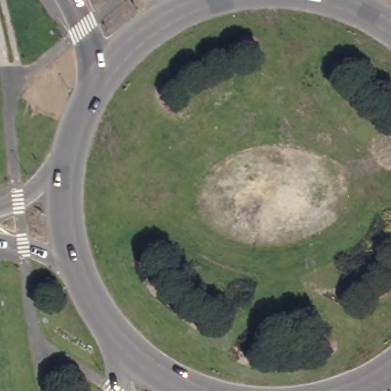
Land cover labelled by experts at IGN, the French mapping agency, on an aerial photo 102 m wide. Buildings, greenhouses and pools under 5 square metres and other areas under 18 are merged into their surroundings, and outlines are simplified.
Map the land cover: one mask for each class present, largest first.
<instances>
[{"label":"herbaceous vegetation","instance_id":"1","mask_svg":"<svg viewBox=\"0 0 391 391\"><path fill-rule=\"evenodd\" d=\"M21 63L24 64L34 63L53 44L60 41L57 35L49 34L57 21L47 14L40 0H6ZM252 38L257 41L261 52L264 53L261 70L250 75L235 73L232 78L192 96L186 107L180 111L171 110L162 101L159 90L176 79L189 64L199 63L202 58L208 57L212 49H231L240 41H250ZM367 55L374 67L388 72L391 76V50L359 29L347 26L341 21L287 9L241 11L195 24L153 50L116 90L96 130L95 141L87 160L84 186L87 235L96 266L101 272L108 292L115 298L124 315L133 322L134 327L141 330L145 338L150 339L156 347L174 357L177 364L189 365L195 370L220 379L250 385H296L351 370L391 345V290L379 296L377 309L373 315L364 319H354L347 315L338 299L344 296L351 284L359 283L362 276L370 270L371 264L376 263V255L371 254L373 235L383 231L391 232V171L380 168L376 173L350 177L347 180V192L350 194L348 211L319 234L310 235L289 246H258L255 243H241L228 235L218 234L202 220V214L197 206V195L205 186L206 177L212 176L214 166L225 162L226 157L231 154L260 145L283 144L330 157L344 165L347 160L370 156L371 139L379 133L370 121L360 118L356 108L351 107L350 102L345 101L333 89L327 76L339 64L360 61ZM157 238L166 243H179L180 249L185 252L186 260L191 263L195 272L199 273L203 283L212 284L218 290L226 289L235 278L254 280L257 283L254 295L260 301H257L250 312L244 307L238 310L231 330L225 336H203L194 322L179 318L168 305L162 304L157 298L153 284H150V281L139 280L134 270V261L141 260L142 254L150 244L156 243ZM353 247L359 252H367L368 255L359 269L341 276L334 264V255L338 252H347ZM312 302L322 321L331 327V354L327 364L319 370L286 373H261L250 367L246 356L260 338L261 322L269 316L283 313L289 315L299 310V305H310ZM9 170L0 92V188L8 185ZM58 122L50 116L35 115L32 113L31 105L24 99H18L15 110V134L21 180L26 182L40 168L46 157ZM38 370L32 360L24 316L20 269L18 264L12 261L0 260V391H40L37 382ZM38 327L46 341L57 350L64 351L73 360L78 362L102 374L104 360L89 328L82 322L75 305L69 299L61 312L47 315L38 310Z\"/></svg>","mask_w":391,"mask_h":391},{"label":"impervious surface","instance_id":"2","mask_svg":"<svg viewBox=\"0 0 391 391\"><path fill-rule=\"evenodd\" d=\"M47 14L57 21L49 34L57 35L60 41L53 44L34 63L24 64L21 63L6 0H0V92L9 170L8 185L0 188V260L12 261L18 264L20 269L24 316L32 360L38 370L37 382L40 391H41L46 386L47 374L60 370L73 360L64 351L57 350L46 341L38 327V310L31 298L38 287H52L60 281L69 299L75 305L82 322L89 328L104 360L102 374L78 362L79 370L90 382V391H391V345L351 370L296 385H250L220 379L195 370L189 365L177 364L174 357L156 347L150 339L145 338L141 330L134 327L133 322L124 315L115 298L108 292L101 272L96 266L87 235L84 186L87 160L95 141L96 130L116 90L153 50L195 24L241 11L287 9L341 21L347 26L359 29L391 50V0H40ZM18 99H24L31 105L32 113L35 115L50 116L58 122L46 157L40 168L26 182L21 180L15 134V110Z\"/></svg>","mask_w":391,"mask_h":391},{"label":"deciduous trees","instance_id":"3","mask_svg":"<svg viewBox=\"0 0 391 391\"><path fill-rule=\"evenodd\" d=\"M264 53L261 52L257 41L252 38L250 41H240L231 49H212L208 57L202 58L199 63L189 64L176 79L159 90L162 101L171 110L180 111L186 107L192 96L232 78L235 73L250 75L261 70ZM333 89L345 101L350 102L351 107L356 108L360 118L370 121L379 133L391 136V76L388 72L374 67L367 55L360 61L339 64L327 76ZM371 254L376 255V263L371 264L370 270L362 276L359 283L351 284L344 296L338 299L347 315L354 319H364L373 315L377 309L379 296L391 290V232L383 231L373 235ZM134 270L139 280L150 281V284H153L157 298L162 304L168 305L179 318L194 322L203 336H225L231 330L238 310L244 307L250 312L257 301H260L254 295L257 283L254 280L235 278L226 289L218 290L212 284L203 283L199 273L195 272L191 263L186 260L185 252L180 249L179 243H166L157 238L156 243L150 244L142 254L141 260L134 261ZM368 255L367 252H359L353 247L347 252H338L334 255V264L341 276L359 269ZM38 310L47 315L61 312L69 299L60 281L52 287H38L31 298ZM331 327L322 321L312 302L310 305H299V310L289 315L283 313L269 316L261 322L260 338L246 356L250 367L261 373H286L319 370L327 364L331 354ZM41 391H90V382L79 370L78 362L73 360L60 370L47 374L46 386Z\"/></svg>","mask_w":391,"mask_h":391},{"label":"pervious surface","instance_id":"4","mask_svg":"<svg viewBox=\"0 0 391 391\"><path fill-rule=\"evenodd\" d=\"M370 156L347 160L344 165L330 157L283 144L260 145L231 154L226 157L225 162L214 166L212 176L206 177L205 186L197 195V206L202 214V220L218 234L228 235L241 243H255L258 246H289L310 235L319 234L348 211L350 194L347 192V180L350 177L376 173L380 168L391 171V136L379 133L371 139Z\"/></svg>","mask_w":391,"mask_h":391}]
</instances>
